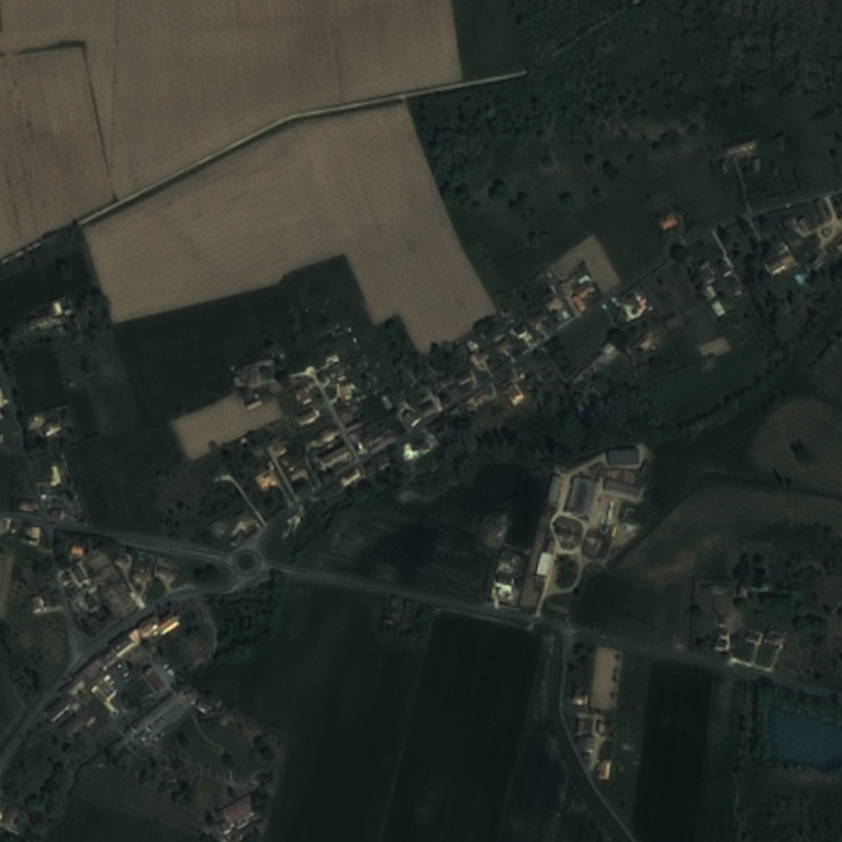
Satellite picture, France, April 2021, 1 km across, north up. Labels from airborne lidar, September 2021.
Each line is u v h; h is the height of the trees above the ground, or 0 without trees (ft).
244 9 0
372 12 0
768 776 0
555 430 0
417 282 0
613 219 0
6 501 0
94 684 0
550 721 0
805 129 0
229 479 0
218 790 0
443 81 0
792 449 0
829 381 0
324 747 0
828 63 41
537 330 0
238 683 0
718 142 0
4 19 0
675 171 0
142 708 54
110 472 0
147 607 0
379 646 0
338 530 0
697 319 0
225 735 0
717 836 0
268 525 0
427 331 0
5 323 0
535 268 0
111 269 0
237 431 0
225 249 0
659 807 0
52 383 0
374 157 0
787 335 0
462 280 0
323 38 0
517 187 0
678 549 0
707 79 0
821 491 0
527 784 0
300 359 0
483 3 0
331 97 0
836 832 67
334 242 0
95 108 0
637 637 0
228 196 0
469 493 0
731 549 0
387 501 0
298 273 0
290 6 0
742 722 17
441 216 0
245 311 0
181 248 0
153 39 0
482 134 35
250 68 0
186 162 0
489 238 0
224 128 0
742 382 0
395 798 0
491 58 0
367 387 17
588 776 0
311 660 0
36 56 0
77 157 0
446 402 48
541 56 26
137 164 0
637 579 0
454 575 0
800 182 22
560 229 0
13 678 0
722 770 0
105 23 0
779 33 51
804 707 73
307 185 0
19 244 0
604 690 0
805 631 48
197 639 40
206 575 34
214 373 0
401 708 0
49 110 0
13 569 0
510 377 24
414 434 0
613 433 98
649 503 0
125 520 0
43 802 32
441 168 39
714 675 0
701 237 0
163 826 60
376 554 0
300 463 47
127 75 0
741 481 0
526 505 0
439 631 0
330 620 0
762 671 0
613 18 45
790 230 51
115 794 0
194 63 0
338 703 0
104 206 0
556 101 24
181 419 30
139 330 0
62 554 45
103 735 0
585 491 0
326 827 0
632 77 0
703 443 0
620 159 0
